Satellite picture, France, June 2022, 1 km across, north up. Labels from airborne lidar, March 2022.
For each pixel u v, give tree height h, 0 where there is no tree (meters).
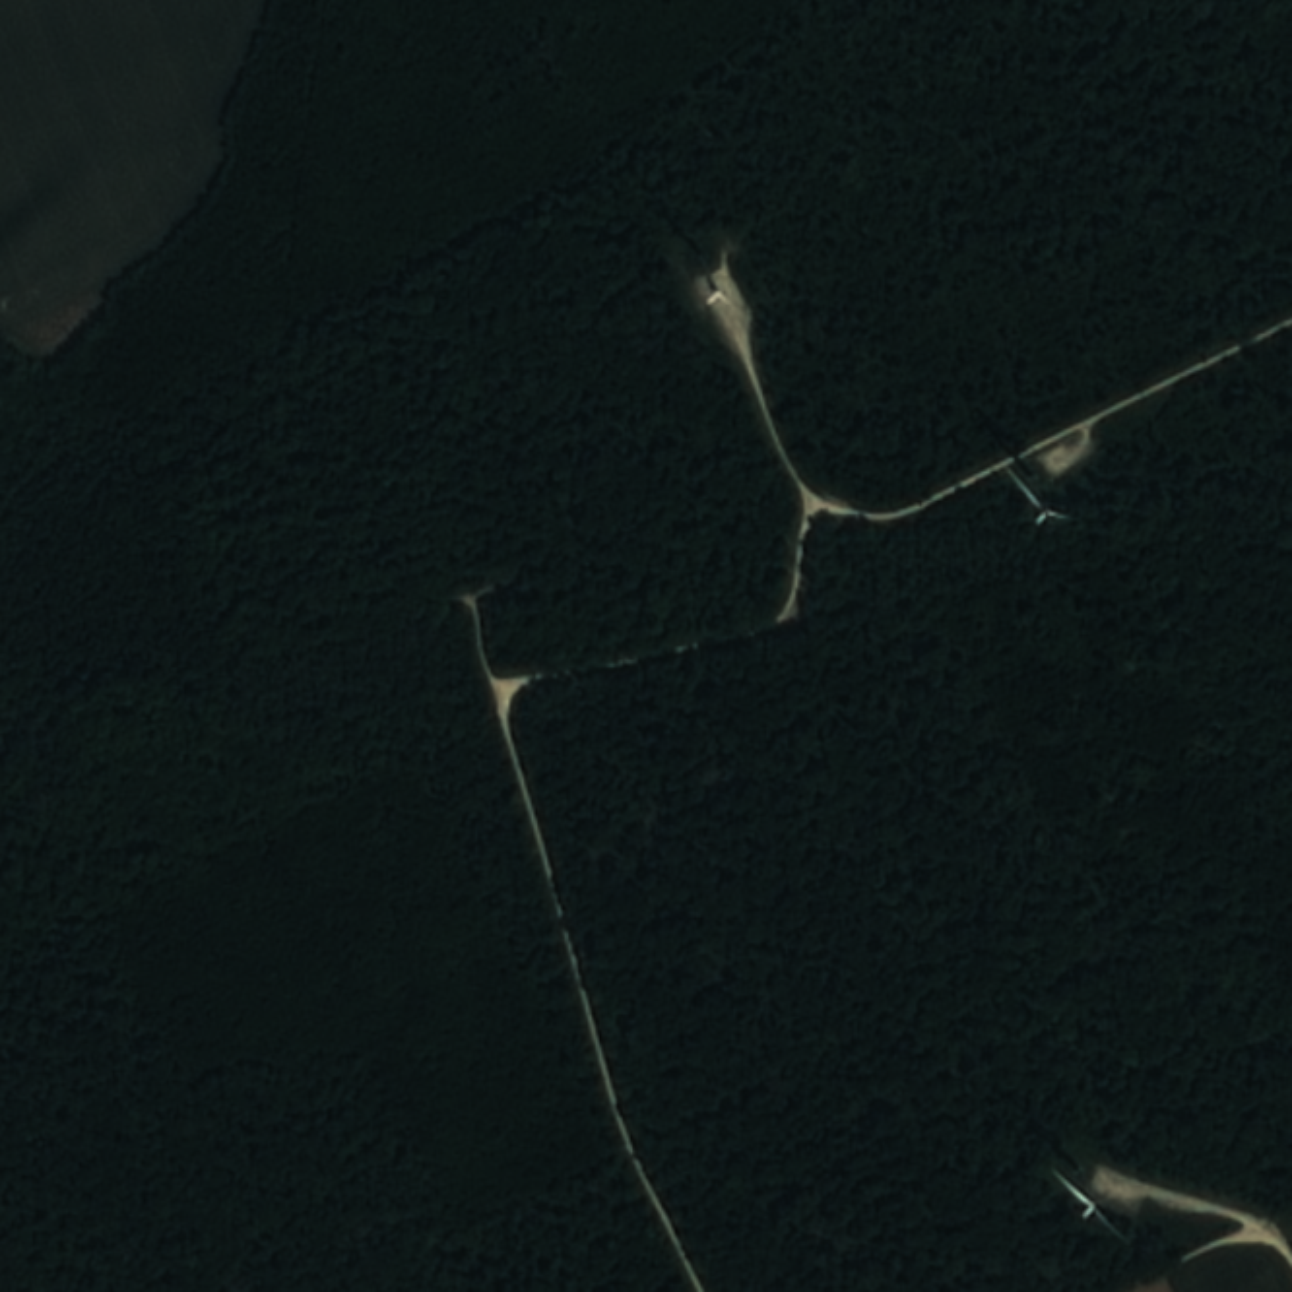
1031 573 19
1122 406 0
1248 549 18
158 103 0
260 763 15
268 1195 17
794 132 13
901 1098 23
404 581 23
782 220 8
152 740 18
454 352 20
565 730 18
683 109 22
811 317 17
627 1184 17
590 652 19
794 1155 22
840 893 18
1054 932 25
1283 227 18
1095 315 7
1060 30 22
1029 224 18
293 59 12
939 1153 19
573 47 6
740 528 18
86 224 0
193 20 0
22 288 0
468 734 18
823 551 19
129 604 18
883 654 16
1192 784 9
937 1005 20
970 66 17
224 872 9
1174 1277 0
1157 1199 0
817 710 22
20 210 0
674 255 0
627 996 20
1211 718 12
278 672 13
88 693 23
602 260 19
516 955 15
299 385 7
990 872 19
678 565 17
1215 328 15
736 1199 17
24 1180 20
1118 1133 17
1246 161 18
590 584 19
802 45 14
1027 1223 21
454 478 18
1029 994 24
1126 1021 19
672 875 22
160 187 0
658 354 21
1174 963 18
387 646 12
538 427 19
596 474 22
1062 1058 20
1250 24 17
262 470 13
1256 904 12
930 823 20
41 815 17
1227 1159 17
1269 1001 17
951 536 16
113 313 11
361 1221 19
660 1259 18
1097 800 20
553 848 16
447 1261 17
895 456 18
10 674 19
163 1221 17
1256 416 19
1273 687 16
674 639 18
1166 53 15
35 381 19
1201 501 20
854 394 16
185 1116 21
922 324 7
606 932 23
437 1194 16
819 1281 16
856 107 18
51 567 17
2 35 0
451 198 6
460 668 11
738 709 24
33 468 13
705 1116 17
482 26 7
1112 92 18
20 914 21
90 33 0
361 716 17
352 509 20
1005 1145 28
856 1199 22
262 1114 19
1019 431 6
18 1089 21
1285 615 21
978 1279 21
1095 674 9
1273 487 23
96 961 23
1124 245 16
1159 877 6
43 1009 11
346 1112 17
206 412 8
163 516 16
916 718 19
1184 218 22
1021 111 14
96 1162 22
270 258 13
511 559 18
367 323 19
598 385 21
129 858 18
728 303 0
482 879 18
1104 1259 17
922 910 22
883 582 17
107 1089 20
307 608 20
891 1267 20
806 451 20
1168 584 17
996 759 20
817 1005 18
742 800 22
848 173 18
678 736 20
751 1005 20
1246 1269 0
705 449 6
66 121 0
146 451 18
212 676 18
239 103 12
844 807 22
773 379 17
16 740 20
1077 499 21
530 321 20
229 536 13
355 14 7
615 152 16
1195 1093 17
